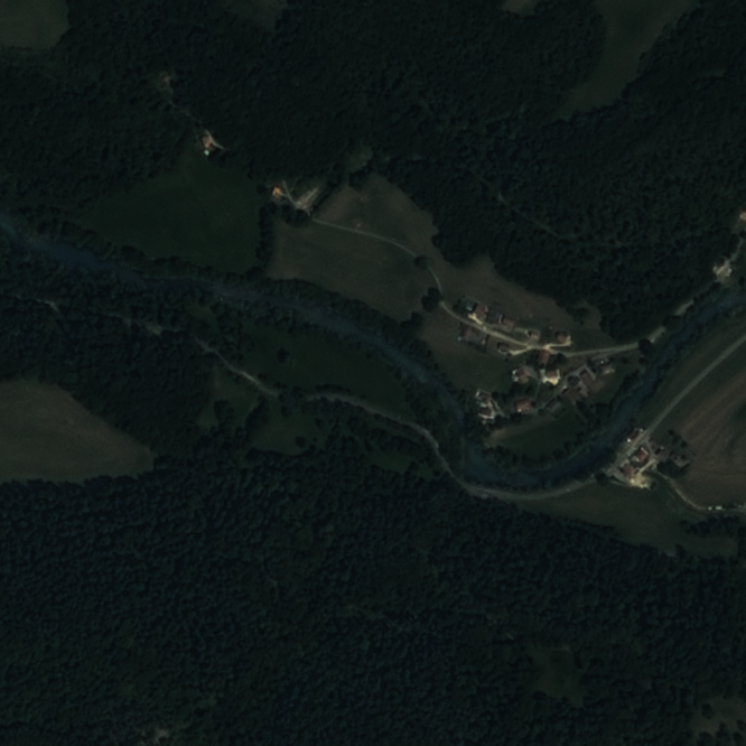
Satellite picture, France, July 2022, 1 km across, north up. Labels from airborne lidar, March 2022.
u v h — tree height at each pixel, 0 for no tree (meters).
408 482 17
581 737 31
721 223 12
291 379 0
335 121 28
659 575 20
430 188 27
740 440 0
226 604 38
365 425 12
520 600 32
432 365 14
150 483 22
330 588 27
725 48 17
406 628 31
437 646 32
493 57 23
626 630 35
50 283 27
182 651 41
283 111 21
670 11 0
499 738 30
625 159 28
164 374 21
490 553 22
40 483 0
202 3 24
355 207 0
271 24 0
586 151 18
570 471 0
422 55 28
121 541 32
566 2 23
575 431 0
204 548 31
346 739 31
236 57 25
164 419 30
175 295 28
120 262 10
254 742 35
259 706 33
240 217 0
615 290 18
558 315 0
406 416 0
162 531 32
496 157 17
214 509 31
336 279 0
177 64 24
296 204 0
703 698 19
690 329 0
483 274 0
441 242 20
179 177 0
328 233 0
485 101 17
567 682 0
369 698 33
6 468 0
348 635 37
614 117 18
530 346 0
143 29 21
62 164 29
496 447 0
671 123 24
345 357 0
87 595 26
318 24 26
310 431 0
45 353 31
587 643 28
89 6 21
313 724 22
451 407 0
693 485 0
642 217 29
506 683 20
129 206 0
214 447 24
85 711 22
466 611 30
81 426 0
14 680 30
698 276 23
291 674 29
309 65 21
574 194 17
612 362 8
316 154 21
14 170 18
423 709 28
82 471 0
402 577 28
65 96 15
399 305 0
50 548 34
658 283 30
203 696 28
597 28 23
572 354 0
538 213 23
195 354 27
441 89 24
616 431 0
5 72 12
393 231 0
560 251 24
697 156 30
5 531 38
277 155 20
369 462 10
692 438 0
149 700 22
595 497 0
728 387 0
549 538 18
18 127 23
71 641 23
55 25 0
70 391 22
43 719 13
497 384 0
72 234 22
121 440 0
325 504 21
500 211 18
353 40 25
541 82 24
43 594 30
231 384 0
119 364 29
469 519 36
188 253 0
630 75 0
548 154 24
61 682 26
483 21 20
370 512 24
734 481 0
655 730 28
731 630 30
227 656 26
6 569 35
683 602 29
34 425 0
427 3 22
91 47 14
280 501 25
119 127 21
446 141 20
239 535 37
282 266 0
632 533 0
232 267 0
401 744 30
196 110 19
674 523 0
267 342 0
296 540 29
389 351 0
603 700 16
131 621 26
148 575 25
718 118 31
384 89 26
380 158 22
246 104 27
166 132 27
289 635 20
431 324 0
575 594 41
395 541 31
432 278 0
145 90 23
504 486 13
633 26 0
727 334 0
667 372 12
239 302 7
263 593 33
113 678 24
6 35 0
